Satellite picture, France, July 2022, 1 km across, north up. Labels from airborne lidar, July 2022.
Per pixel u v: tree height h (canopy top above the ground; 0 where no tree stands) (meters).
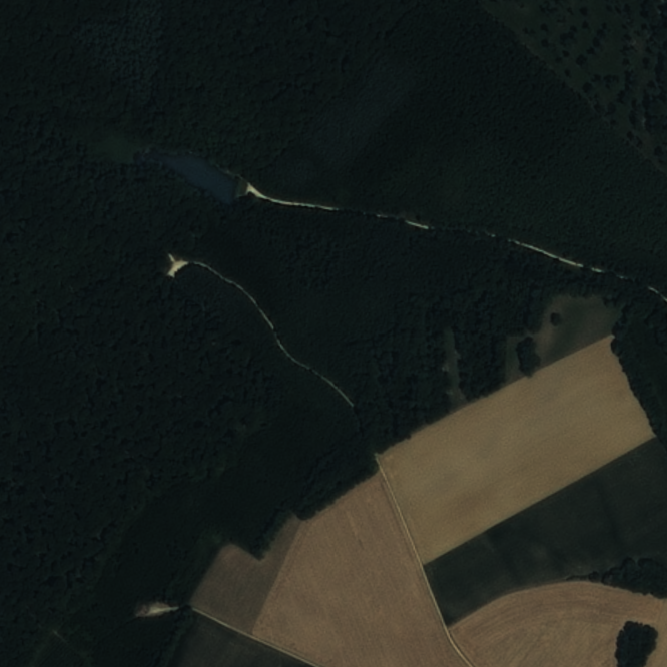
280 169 16
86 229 24
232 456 29
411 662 0
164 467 26
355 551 0
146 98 15
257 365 18
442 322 18
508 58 23
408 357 29
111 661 9
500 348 23
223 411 29
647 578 22
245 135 19
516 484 0
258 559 18
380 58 16
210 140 19
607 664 0
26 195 26
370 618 0
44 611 29
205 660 0
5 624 28
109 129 8
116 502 30
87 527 29
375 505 0
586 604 0
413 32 24
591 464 0
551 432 0
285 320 16
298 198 15
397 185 10
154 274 17
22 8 23
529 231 13
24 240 24
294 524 0
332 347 18
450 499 0
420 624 0
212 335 26
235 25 29
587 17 21
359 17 27
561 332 0
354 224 17
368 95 16
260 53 27
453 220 17
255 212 17
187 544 8
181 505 9
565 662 0
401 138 17
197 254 13
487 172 15
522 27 0
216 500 11
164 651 19
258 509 12
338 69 22
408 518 0
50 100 16
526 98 22
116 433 25
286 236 9
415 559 0
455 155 13
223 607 0
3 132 26
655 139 25
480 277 22
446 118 18
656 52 22
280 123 22
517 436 0
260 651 0
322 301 14
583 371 0
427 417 12
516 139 22
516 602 0
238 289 15
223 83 21
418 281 18
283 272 18
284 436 11
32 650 27
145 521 7
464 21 25
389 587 0
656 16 27
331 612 0
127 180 27
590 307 0
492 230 18
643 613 0
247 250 17
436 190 10
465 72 25
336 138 18
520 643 0
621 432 0
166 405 29
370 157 17
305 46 30
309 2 27
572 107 21
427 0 22
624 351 23
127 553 8
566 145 17
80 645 6
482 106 22
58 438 26
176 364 28
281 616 0
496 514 0
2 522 29
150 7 30
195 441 27
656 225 14
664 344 27
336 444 14
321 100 20
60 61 27
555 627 0
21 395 25
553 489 0
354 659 0
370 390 32
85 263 26
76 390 28
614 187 17
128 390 26
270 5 26
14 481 9
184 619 25
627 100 26
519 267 23
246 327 15
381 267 20
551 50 22
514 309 15
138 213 22
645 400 22
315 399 16
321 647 0
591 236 15
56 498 29
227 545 0
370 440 28
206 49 23
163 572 8
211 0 25
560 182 17
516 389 0
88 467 28
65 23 21
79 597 27
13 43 24
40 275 23
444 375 17
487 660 0
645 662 21
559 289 20
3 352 30
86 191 23
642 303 21
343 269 16
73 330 11
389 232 25
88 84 19
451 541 0
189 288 14
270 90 25
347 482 19
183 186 21
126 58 30
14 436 26
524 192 13
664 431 23
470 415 0
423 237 21
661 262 16
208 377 26
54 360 25
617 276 16
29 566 28
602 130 17
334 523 0
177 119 21
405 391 12
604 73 0
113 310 23
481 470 0
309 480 19
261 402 16
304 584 0
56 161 9
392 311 18
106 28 29
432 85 20
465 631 0
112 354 28
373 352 25
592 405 0
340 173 16
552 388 0
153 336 23
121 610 9
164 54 24
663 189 15
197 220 23
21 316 23
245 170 22
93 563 29
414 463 0
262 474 8
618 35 0
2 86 29
